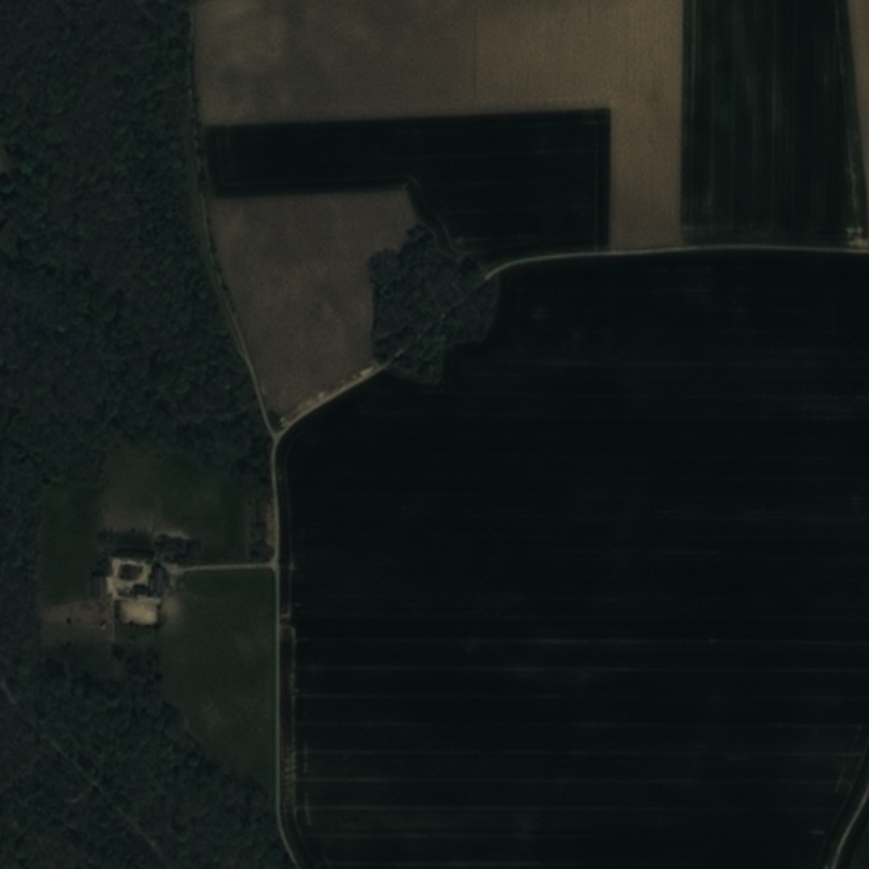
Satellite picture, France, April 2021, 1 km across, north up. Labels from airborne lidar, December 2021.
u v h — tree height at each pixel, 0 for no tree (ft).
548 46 0
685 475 0
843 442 0
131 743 96
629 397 0
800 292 0
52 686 90
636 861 0
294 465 0
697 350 0
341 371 0
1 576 88
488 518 0
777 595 0
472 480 0
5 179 40
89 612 0
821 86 0
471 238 0
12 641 95
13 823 81
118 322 80
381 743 0
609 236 0
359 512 0
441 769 0
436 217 0
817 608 0
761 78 0
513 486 0
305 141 0
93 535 0
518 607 0
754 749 0
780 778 0
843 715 0
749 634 0
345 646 0
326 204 0
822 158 0
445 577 0
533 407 0
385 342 42
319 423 0
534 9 0
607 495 0
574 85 0
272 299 0
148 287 59
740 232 0
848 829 0
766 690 0
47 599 0
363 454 0
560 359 0
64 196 80
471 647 0
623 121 0
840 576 0
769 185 0
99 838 66
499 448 0
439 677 0
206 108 0
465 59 0
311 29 0
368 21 0
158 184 47
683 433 0
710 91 0
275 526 0
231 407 65
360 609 0
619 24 0
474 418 0
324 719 0
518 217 0
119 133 64
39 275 93
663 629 0
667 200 0
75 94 89
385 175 0
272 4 0
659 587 0
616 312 0
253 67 0
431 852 0
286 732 0
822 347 0
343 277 0
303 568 0
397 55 0
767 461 0
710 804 0
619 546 0
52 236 66
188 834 101
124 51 86
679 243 0
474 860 0
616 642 0
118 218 58
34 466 58
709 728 0
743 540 0
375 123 0
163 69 81
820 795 0
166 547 43
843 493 0
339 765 0
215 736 0
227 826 94
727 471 0
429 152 0
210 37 0
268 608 0
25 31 90
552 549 0
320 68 0
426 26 0
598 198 0
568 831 0
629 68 0
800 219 0
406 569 0
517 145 0
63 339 88
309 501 0
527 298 0
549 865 0
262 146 0
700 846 0
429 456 0
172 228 43
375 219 0
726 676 0
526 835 0
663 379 0
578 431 0
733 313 0
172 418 111
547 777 0
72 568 0
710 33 0
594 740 0
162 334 73
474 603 0
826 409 0
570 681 0
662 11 0
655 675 0
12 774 84
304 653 0
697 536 0
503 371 0
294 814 0
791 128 0
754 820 0
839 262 0
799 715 0
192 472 0
